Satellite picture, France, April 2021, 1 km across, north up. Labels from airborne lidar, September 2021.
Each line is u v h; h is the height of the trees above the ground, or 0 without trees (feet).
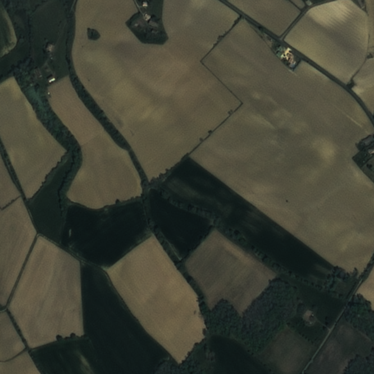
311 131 0
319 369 0
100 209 0
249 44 0
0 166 0
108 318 0
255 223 0
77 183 0
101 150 0
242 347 0
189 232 0
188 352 0
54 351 0
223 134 0
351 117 0
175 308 0
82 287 0
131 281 0
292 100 0
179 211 0
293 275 42
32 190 0
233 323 45
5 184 0
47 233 0
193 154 0
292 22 0
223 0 0
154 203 0
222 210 0
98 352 0
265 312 54
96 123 0
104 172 0
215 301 0
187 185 0
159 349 0
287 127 0
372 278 0
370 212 0
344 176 0
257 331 60
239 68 0
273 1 0
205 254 0
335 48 0
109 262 0
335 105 0
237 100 0
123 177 0
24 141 0
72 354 0
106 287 0
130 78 0
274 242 0
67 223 0
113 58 0
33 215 0
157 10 0
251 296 0
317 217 0
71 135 25
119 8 0
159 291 0
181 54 0
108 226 0
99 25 0
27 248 0
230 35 0
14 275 0
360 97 0
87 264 0
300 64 0
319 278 0
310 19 0
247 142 0
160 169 0
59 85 0
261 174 0
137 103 0
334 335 0
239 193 0
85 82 0
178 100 0
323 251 0
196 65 0
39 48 0
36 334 0
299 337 0
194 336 0
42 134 0
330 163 0
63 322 0
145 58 0
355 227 0
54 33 0
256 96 0
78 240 0
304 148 0
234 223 0
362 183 0
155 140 0
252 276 0
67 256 0
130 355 0
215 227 23
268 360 0
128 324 0
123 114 0
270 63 0
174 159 0
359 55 0
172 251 52
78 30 0
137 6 0
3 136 0
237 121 0
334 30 0
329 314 0
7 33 0
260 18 0
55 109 0
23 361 0
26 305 0
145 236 0
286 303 69
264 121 0
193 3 0
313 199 0
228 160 0
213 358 36
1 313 0
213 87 0
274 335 58
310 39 0
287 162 0
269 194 0
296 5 0
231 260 0
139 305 0
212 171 0
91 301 0
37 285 0
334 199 0
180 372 48
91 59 0
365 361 50
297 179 0
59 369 0
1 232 0
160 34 33
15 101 0
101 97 0
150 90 0
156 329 0
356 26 0
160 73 0
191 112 0
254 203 0
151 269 0
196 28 0
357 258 0
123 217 0
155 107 0
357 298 43
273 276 0
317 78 0
